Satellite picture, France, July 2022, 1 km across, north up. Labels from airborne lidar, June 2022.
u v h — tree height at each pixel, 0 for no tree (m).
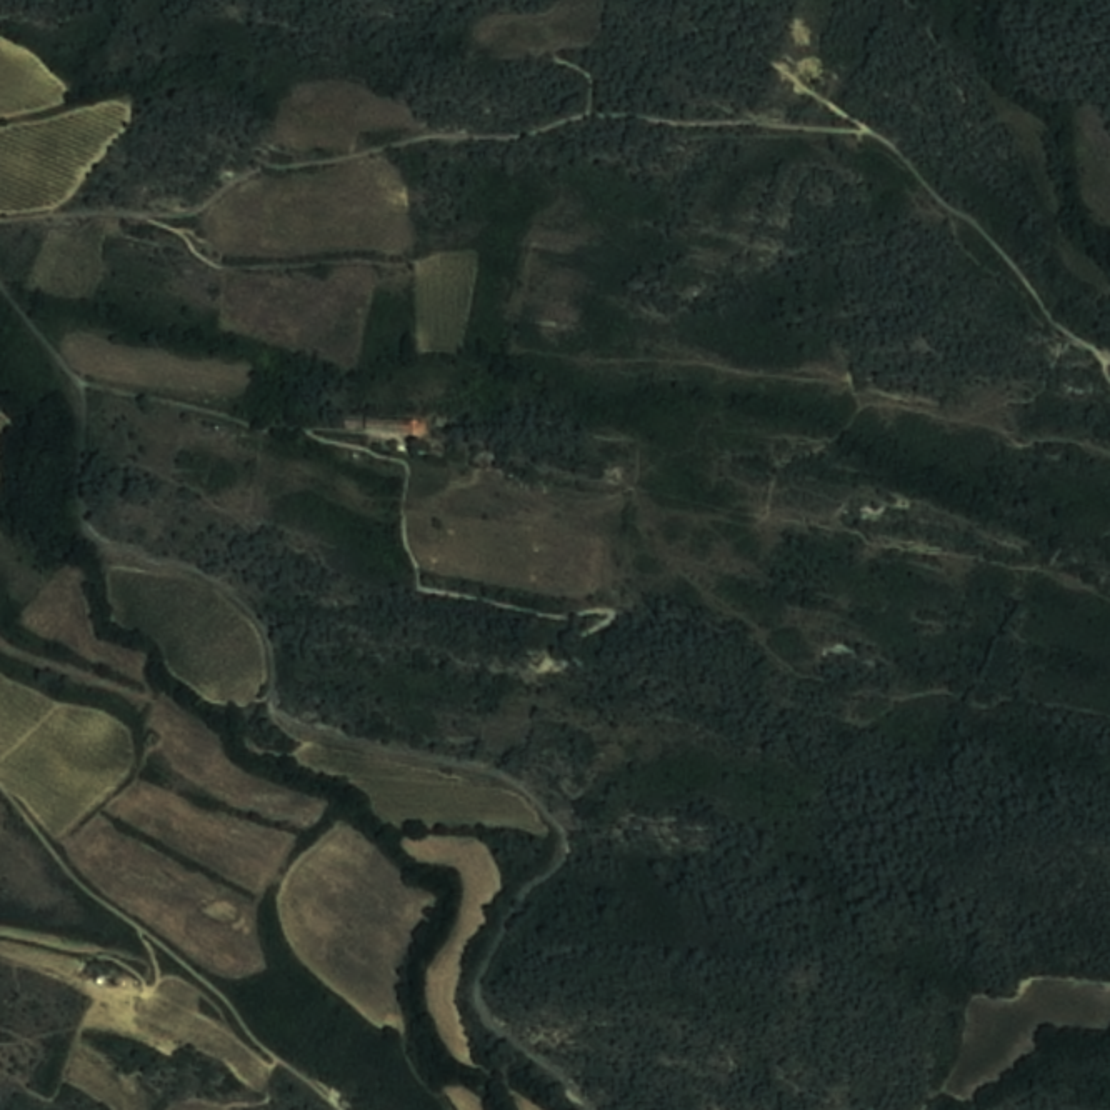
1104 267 14
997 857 7
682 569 0
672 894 13
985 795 16
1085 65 12
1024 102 15
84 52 9
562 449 11
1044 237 15
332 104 0
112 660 0
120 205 8
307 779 13
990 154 6
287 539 13
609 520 0
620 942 6
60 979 0
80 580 0
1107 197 0
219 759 0
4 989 0
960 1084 0
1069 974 7
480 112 7
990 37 9
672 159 10
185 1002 0
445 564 0
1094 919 8
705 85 10
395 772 0
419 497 0
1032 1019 0
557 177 11
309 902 0
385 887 0
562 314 0
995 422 0
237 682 0
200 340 12
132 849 0
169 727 0
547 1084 10
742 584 8
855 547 9
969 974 10
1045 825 12
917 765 10
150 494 12
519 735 0
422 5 11
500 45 0
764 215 7
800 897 18
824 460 11
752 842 16
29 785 0
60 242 0
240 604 0
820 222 10
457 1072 11
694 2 11
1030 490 6
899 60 18
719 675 14
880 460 12
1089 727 11
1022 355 8
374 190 0
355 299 0
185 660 0
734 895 15
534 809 0
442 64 15
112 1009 0
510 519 0
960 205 14
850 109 8
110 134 0
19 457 19
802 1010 9
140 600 0
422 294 0
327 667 8
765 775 6
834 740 15
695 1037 12
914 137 11
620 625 9
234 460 0
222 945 0
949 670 13
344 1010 7
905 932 13
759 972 9
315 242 0
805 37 0
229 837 0
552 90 10
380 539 5
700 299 10
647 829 8
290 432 7
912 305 10
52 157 0
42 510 16
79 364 0
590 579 0
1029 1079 9
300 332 0
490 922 9
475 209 6
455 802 0
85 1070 0
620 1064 10
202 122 9
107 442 0
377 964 0
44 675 17
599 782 9
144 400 13
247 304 0
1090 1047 14
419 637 7
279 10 11
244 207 0
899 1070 7
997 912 14
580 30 0
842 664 10
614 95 15
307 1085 0
